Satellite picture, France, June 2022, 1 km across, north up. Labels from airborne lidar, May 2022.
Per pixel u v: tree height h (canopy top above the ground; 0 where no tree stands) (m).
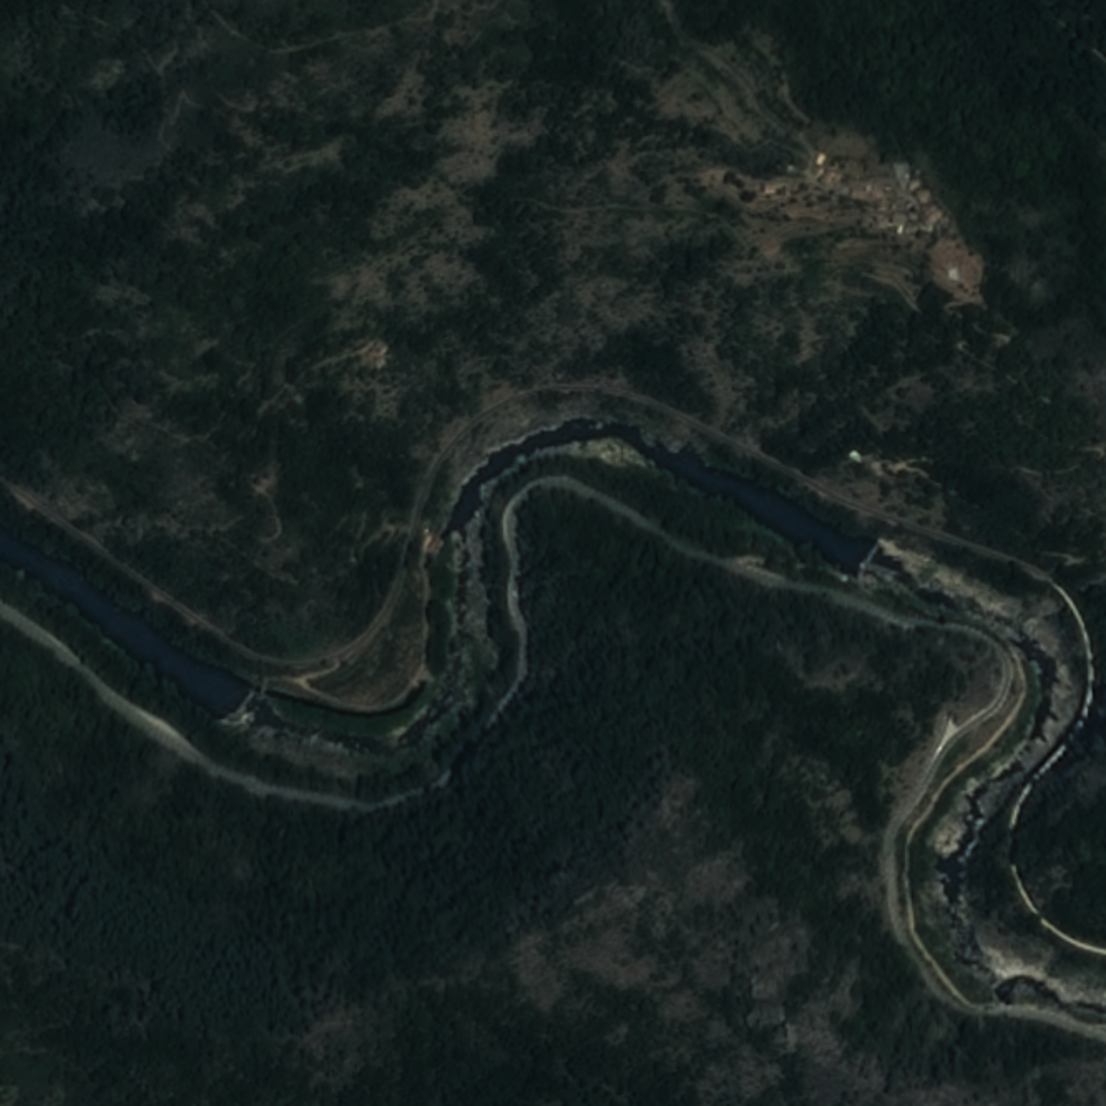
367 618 9
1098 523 11
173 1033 7
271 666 12
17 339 7
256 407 9
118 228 16
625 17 11
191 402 7
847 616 8
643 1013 12
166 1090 12
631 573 19
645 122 11
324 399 10
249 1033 9
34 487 13
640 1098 16
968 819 0
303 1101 15
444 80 17
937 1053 18
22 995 9
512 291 10
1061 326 7
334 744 0
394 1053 12
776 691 8
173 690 10
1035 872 11
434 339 8
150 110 7
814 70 9
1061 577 14
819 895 14
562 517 6
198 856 13
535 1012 10
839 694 7
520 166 9
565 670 7
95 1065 11
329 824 10
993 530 19
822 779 12
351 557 8
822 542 0
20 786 30
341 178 8
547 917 11
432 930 8
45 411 10
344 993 12
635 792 8
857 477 6
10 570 11
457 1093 13
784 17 14
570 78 11
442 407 8
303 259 10
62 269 16
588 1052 14
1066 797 10
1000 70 14
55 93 12
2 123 8
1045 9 9
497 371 8
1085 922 6
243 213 10
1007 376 9
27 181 13
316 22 7
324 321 7
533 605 10
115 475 7
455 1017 10
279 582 6
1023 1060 13
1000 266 6
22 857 25
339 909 15
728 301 9
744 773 14
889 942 9
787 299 11
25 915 25
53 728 21
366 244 11
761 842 13
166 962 30
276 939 13
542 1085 25
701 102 9
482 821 12
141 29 9
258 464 11
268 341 8
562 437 0
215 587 10
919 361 13
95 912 31
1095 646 9
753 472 10
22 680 23
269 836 13
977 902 11
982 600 0
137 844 13
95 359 12
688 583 8
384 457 11
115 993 10
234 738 13
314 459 11
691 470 0
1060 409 9
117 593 17
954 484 12
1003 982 0
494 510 8
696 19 5
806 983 15
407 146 7
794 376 12
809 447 13
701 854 11
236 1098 11
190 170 8
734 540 16
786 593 11
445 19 10
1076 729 20
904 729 8
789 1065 11
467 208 6
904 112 9
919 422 7
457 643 0
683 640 11
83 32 11
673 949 10
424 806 9
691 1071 7
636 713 10
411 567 17
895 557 0
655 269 13
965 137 12
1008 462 15
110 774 10
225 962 34
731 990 12
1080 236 7
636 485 6
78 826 15
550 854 16
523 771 11
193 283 11
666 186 8
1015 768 0
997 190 6
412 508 13
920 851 8
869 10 15
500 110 7
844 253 0
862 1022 19
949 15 13
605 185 8
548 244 6
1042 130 19
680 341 8
